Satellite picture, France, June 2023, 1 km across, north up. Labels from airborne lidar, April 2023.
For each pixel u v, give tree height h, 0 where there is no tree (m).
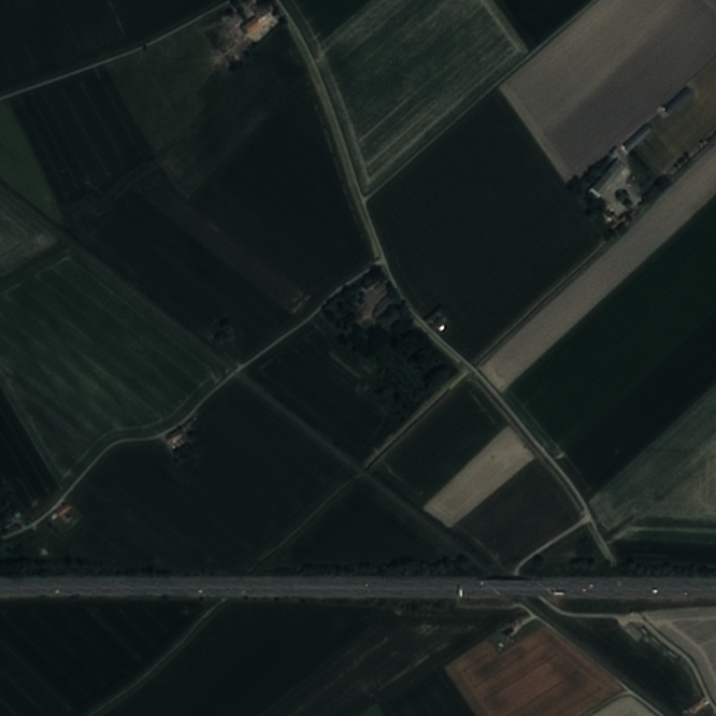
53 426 0
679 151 0
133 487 0
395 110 0
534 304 0
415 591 0
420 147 0
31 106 0
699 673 0
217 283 0
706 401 0
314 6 0
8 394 0
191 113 0
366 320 0
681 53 0
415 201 0
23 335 0
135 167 0
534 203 0
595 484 0
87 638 0
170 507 0
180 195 0
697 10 0
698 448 0
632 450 0
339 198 0
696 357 0
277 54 0
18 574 9
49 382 0
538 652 0
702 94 0
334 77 0
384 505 0
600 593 0
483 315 0
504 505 0
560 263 0
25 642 0
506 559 0
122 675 0
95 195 0
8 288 0
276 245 0
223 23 0
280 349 0
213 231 0
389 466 0
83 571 0
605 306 0
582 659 0
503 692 0
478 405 0
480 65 0
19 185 0
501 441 0
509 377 0
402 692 0
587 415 0
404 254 0
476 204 0
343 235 0
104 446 0
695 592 0
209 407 0
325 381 0
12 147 0
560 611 0
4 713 0
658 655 0
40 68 0
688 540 0
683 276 0
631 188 0
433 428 0
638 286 0
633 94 0
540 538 0
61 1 0
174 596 0
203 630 0
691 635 0
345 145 0
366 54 0
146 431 0
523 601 0
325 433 0
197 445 0
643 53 0
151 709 0
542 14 0
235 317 0
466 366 0
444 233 0
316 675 0
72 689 0
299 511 0
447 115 0
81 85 0
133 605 0
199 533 0
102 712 0
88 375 0
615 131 0
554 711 0
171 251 0
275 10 7
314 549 0
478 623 0
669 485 0
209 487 0
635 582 0
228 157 0
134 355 0
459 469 0
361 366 0
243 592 0
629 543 0
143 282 0
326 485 0
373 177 0
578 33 0
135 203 0
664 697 0
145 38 0
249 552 0
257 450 0
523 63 0
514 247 0
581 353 0
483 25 0
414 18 0
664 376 0
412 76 0
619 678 0
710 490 0
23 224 0
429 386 15
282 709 0
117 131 0
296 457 0
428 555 0
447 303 0
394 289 17
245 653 0
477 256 0
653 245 0
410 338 8
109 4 0
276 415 0
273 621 0
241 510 0
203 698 0
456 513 0
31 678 0
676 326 0
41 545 0
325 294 0
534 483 0
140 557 0
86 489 0
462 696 0
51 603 0
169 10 0
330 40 0
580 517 0
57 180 0
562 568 0
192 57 0
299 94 0
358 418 0
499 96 0
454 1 0
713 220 0
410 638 0
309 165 0
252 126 0
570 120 0
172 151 0
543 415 0
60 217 0
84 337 0
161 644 0
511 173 0
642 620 0
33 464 0
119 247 0
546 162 0
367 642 0
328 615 0
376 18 0
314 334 0
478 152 0
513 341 0
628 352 0
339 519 0
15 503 6
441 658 0
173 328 0
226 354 0
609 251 0
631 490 0
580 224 0
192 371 0
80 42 0
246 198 0
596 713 0
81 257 0
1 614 0
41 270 0
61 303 0
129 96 0
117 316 0
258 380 0
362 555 0
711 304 0
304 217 0
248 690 0
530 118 0
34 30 0
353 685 0
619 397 0
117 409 0
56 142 0
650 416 0
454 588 0
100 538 0
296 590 0
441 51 0
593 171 12
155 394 0
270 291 0
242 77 0
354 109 0
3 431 0
